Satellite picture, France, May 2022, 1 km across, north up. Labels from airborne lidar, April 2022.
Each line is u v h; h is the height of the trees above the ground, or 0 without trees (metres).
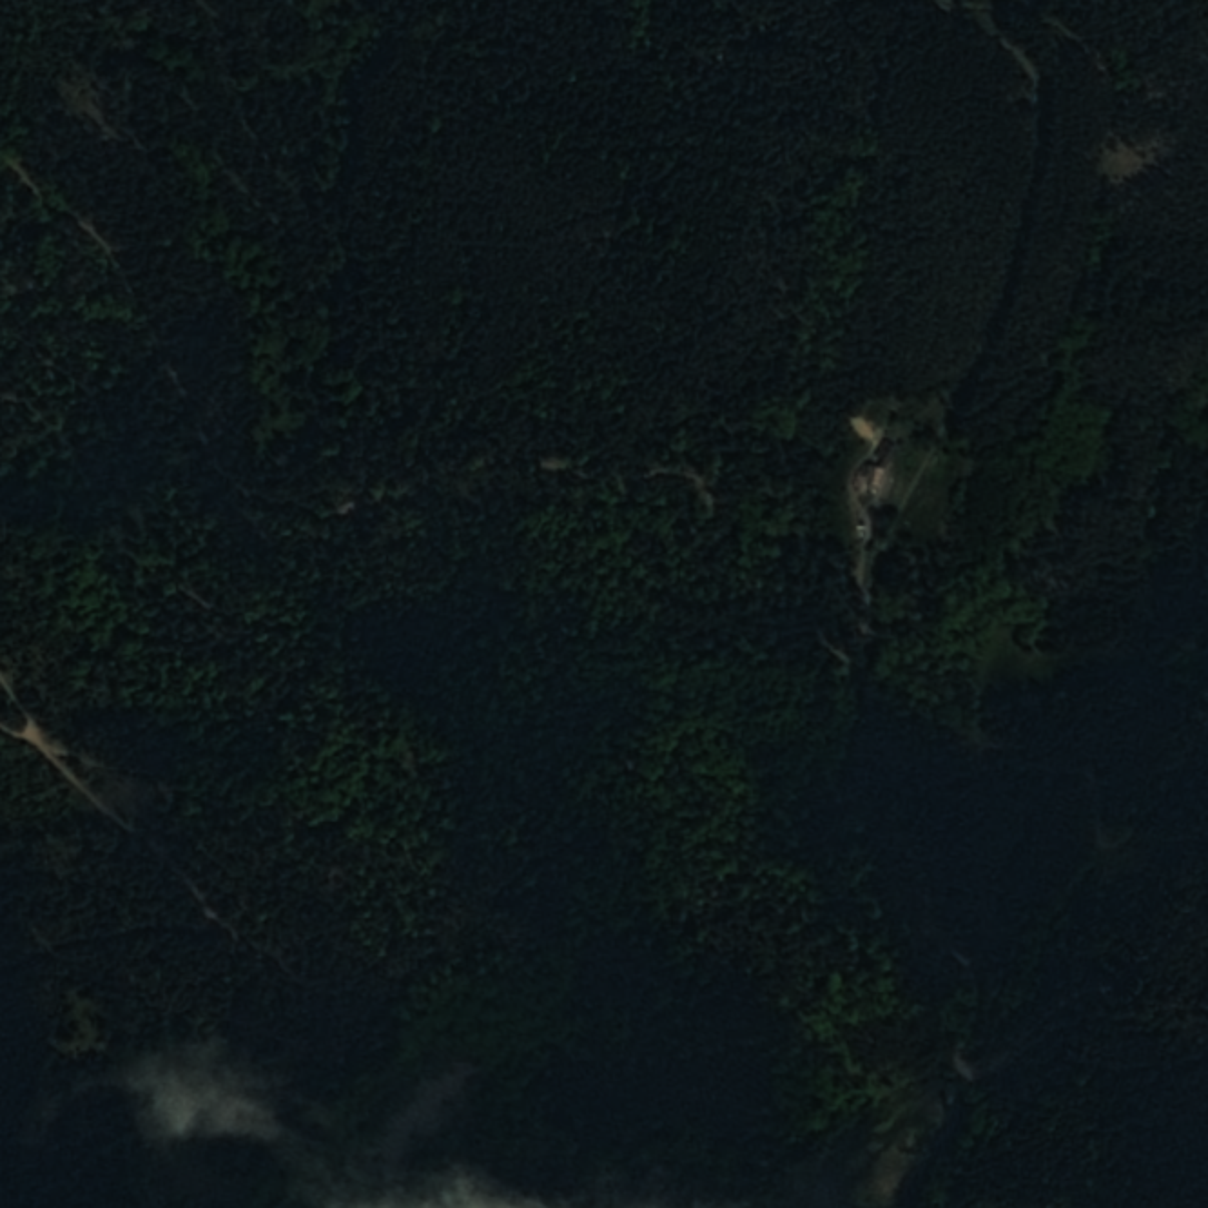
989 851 27
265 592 25
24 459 10
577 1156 19
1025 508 10
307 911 29
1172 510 33
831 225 21
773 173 20
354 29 24
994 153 25
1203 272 31
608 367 22
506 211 28
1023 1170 25
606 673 20
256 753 18
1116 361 30
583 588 18
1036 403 20
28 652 8
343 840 31
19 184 6
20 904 26
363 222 31
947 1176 11
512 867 29
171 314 27
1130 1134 27
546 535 27
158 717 22
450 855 17
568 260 22
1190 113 28
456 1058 14
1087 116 27
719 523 10
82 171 32
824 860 25
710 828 22
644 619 24
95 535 24
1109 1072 16
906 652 26
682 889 22
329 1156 16
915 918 28
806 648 21
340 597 34
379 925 20
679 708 27
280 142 26
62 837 21
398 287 25
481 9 30
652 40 23
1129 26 22
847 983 23
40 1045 22
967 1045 16
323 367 24
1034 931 26
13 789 9
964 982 27
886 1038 22
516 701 21
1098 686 28
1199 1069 29
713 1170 21
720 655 23
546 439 25
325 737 19
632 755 21
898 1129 0
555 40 29
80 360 22
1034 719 30
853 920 30
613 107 25
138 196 28
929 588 24
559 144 27
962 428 23
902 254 25
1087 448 25
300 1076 6
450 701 20
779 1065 21
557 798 25
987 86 24
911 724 29
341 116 20
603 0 25
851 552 8
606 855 25
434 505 28
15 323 24
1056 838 25
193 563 31
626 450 8
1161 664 14
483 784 19
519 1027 22
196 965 28
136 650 30
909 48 28
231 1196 16
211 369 25
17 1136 24
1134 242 26
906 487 0
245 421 29
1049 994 34
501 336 24
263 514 18
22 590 6
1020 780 27
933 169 23
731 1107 27
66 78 6
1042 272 27
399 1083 15
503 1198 13
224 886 33
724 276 19
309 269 34
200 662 30
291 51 35
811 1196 0
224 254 26
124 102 17
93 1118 19
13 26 8
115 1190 21
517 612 19
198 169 24
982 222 24
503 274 24
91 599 23
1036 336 28
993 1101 23
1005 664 0
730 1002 24
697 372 25
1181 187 32
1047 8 23
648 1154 13
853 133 26
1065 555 39
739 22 25
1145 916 9
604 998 20
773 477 30
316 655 22
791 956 22
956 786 31
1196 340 24
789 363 19
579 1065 25
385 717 24
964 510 9
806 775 20
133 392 19
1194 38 28
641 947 25
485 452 30
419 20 24
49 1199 12
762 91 8
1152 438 26
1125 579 31
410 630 24
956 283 24
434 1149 7
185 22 23
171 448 16
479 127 27
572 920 23
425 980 26
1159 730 26
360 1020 21
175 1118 14
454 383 25
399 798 22
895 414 6
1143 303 41
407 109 25
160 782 21
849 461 0
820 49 22
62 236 24
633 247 22
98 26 8
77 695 7
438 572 27
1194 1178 31
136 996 10
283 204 31
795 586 35
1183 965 25
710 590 26
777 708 24
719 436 14
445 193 26
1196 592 31
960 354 23
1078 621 33
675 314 20
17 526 21
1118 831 18
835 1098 21
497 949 23
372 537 25
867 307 23
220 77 27
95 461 25
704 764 24
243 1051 11
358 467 32
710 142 23
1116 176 0
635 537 21
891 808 28
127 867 26
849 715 22
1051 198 26
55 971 24
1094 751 29
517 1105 27
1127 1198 27
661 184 19
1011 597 34
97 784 6
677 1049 19
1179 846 29
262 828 29
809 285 18
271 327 25
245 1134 21
